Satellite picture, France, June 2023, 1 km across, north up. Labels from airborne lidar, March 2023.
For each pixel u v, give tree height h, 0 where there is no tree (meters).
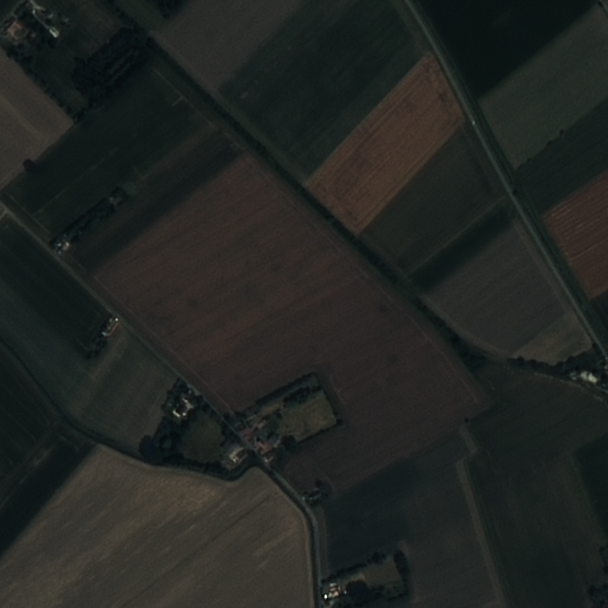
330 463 0
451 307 0
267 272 0
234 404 0
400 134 0
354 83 0
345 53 0
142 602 0
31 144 0
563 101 0
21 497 0
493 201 0
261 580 0
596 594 18
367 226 0
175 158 0
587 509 0
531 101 0
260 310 0
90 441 0
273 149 0
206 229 0
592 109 0
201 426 0
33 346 0
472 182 0
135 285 0
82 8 0
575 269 0
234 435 8
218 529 0
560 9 0
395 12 0
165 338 0
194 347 0
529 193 0
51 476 0
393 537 0
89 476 0
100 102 19
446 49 0
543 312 0
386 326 0
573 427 0
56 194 0
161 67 0
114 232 0
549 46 0
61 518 0
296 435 0
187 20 0
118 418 0
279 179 0
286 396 0
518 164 0
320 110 0
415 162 0
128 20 11
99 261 0
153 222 0
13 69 0
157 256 0
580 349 0
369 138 0
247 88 0
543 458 0
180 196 0
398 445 0
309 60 0
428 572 0
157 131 0
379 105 0
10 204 0
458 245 0
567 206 0
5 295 0
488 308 0
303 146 0
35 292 0
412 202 0
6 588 0
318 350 0
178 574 0
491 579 0
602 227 0
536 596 0
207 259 0
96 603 0
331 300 0
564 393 0
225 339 0
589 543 0
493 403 0
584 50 0
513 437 0
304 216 0
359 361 0
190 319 0
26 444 0
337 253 0
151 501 0
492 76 0
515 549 0
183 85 0
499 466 0
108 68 21
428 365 0
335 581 6
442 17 0
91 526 0
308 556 0
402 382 0
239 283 0
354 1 0
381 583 0
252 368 0
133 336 0
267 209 0
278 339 0
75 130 0
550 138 0
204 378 0
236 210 0
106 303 0
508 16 0
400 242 0
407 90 0
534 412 0
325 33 0
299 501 0
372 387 0
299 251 0
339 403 0
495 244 0
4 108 0
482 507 0
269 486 0
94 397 0
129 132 0
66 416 0
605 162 0
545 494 0
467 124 0
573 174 0
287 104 0
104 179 0
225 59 0
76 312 0
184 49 0
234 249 0
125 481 0
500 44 0
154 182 0
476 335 0
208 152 0
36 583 0
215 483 0
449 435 0
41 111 0
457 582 0
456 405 0
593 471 0
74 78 10
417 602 0
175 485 0
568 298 0
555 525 0
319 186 0
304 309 0
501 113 0
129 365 0
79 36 0
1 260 0
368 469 0
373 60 0
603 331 0
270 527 0
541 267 0
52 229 0
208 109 0
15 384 0
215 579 0
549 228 0
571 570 0
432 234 0
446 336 0
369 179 0
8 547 0
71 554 0
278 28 0
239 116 0
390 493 0
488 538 0
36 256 0
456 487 0
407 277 0
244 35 0
